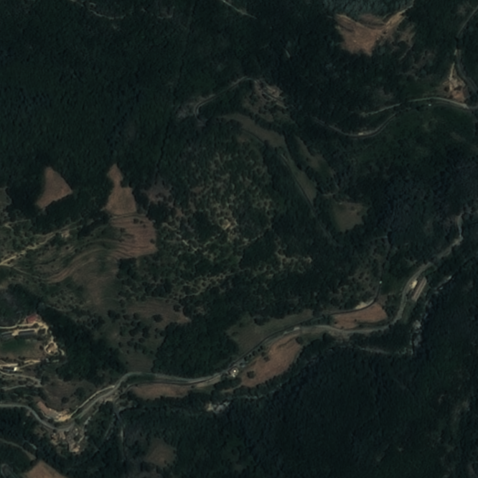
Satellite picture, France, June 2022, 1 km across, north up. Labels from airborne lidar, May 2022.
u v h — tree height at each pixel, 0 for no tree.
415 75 6
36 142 14
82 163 10
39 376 8
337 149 7
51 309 13
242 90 12
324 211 12
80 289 9
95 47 15
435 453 12
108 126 23
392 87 14
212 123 18
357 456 25
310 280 18
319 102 13
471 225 14
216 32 15
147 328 7
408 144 32
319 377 24
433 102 12
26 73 23
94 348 28
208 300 14
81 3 7
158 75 12
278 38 15
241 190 9
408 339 12
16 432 22
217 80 10
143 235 0
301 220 15
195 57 8
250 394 20
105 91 28
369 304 0
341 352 14
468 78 10
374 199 14
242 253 8
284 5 11
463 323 22
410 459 15
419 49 13
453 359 12
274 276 10
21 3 13
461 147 9
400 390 14
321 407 19
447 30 9
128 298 7
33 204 14
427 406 17
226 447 16
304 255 12
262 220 10
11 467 10
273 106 10
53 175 0
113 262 0
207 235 10
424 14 8
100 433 9
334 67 14
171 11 15
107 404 12
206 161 10
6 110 22
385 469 14
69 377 17
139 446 11
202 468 17
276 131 17
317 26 18
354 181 13
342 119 14
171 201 8
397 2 16
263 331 0
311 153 17
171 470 8
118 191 0
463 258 12
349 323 0
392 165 13
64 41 20
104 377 12
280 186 20
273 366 0
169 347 13
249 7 12
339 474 20
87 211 7
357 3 20
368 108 8
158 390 0
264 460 35
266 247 10
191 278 12
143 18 18
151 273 7
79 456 13
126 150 10
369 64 7
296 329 0
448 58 7
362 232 19
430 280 27
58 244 15
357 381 22
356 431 20
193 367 16
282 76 14
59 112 22
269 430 29
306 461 20
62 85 25
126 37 18
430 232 9
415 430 24
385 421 22
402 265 14
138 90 27
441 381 12
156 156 11
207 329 15
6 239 8
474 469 9
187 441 18
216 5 10
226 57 17
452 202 23
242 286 18
